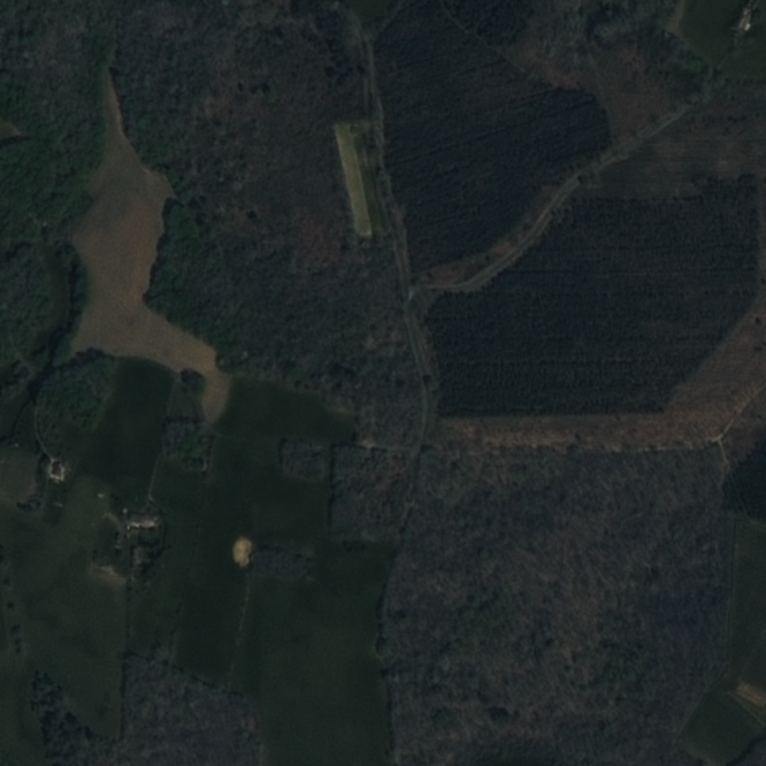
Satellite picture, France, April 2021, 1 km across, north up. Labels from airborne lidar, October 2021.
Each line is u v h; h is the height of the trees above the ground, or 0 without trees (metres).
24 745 0
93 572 0
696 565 21
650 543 21
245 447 0
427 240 7
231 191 22
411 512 8
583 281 10
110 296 0
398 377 15
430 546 11
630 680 18
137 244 0
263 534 0
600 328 9
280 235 7
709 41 0
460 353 11
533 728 10
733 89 9
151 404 0
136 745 11
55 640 0
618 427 7
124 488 0
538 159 9
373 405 17
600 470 14
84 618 0
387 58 10
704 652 19
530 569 17
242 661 0
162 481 0
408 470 7
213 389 0
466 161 11
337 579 0
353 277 10
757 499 16
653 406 11
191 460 20
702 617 19
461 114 11
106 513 0
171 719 20
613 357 8
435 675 19
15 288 25
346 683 0
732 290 8
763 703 0
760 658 0
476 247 10
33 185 24
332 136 8
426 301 15
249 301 18
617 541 13
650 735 15
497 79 7
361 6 0
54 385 25
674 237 12
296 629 0
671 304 9
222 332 20
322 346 13
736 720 0
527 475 21
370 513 7
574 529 13
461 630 18
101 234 0
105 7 19
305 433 0
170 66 14
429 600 11
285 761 0
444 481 20
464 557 12
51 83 17
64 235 21
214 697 20
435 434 10
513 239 8
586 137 10
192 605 0
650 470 13
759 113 11
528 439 10
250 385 0
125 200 0
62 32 16
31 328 24
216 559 0
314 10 25
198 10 13
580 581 17
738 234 10
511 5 23
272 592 0
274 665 0
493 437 11
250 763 18
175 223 21
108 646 0
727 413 12
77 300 17
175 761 14
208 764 17
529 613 18
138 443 0
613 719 16
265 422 0
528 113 10
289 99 6
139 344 0
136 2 19
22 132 24
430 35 8
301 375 15
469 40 9
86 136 23
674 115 16
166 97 17
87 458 0
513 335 13
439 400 12
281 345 11
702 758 0
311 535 0
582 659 18
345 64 19
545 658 17
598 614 16
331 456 8
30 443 0
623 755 10
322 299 11
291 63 8
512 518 12
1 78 20
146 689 15
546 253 12
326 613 0
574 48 13
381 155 15
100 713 0
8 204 26
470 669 18
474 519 12
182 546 0
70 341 17
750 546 0
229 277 15
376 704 0
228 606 0
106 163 0
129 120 21
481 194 8
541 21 9
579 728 9
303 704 0
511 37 20
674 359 8
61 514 0
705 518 17
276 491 0
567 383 12
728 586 10
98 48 17
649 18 22
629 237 12
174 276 17
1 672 0
